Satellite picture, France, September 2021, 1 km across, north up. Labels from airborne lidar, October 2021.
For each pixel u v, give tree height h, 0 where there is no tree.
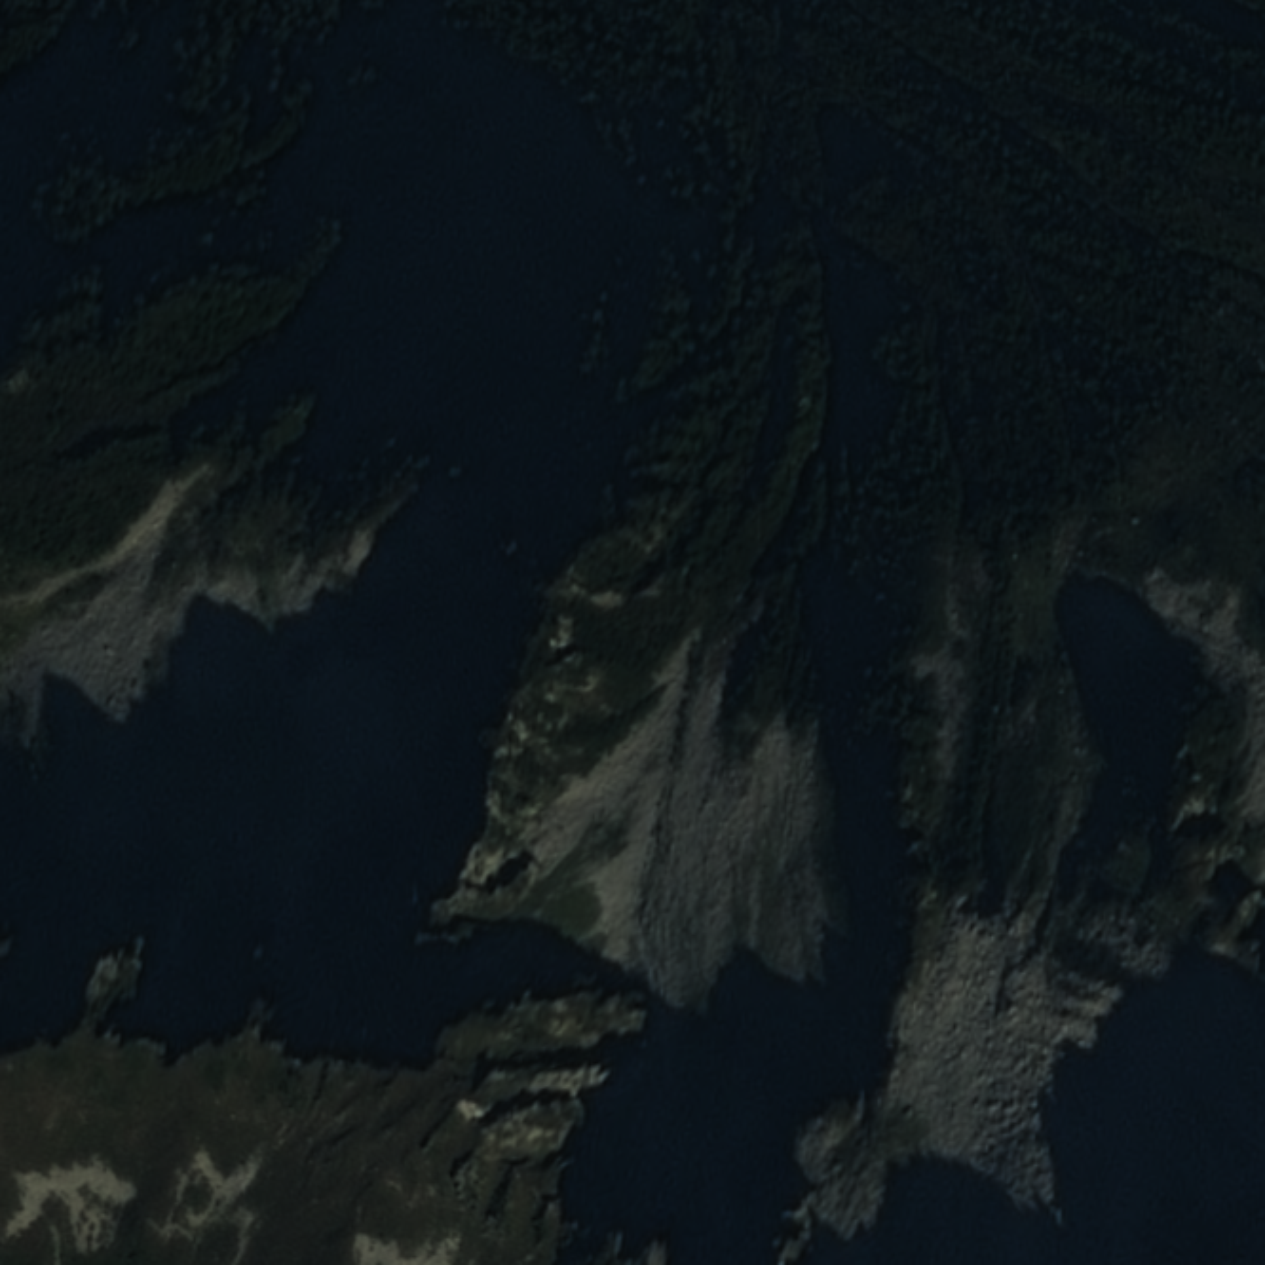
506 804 6
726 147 7
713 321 8
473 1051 0
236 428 6
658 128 8
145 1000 0
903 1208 0
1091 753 0
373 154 11
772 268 8
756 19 7
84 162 9
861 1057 0
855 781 0
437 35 13
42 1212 0
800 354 9
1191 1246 0
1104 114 6
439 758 10
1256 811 0
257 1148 0
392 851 6
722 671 0
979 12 9
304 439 6
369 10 11
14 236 10
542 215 10
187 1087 0
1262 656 0
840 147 6
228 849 0
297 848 0
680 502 10
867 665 11
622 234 9
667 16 8
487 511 5
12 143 8
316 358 11
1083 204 7
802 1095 0
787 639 6
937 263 8
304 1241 0
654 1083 0
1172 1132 0
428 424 19
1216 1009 0
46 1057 0
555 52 9
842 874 0
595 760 0
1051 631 0
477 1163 0
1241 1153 0
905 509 5
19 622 0
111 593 0
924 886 6
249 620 0
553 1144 0
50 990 0
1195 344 0
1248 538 0
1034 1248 0
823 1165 0
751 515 7
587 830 0
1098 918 0
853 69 8
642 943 0
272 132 8
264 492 6
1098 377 7
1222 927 0
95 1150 0
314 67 12
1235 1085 0
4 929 10
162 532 0
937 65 6
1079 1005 0
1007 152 7
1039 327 6
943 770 0
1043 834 0
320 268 8
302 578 0
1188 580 0
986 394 7
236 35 14
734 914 0
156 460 6
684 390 9
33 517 7
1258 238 0
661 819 0
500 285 11
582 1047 0
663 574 7
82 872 0
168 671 0
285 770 0
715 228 10
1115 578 0
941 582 0
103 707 0
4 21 16
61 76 10
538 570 6
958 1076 0
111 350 7
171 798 0
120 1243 0
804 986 0
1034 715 0
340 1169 0
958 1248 0
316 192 10
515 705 0
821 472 6
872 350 11
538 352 8
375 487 6
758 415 7
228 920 9
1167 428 0
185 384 11
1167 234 8
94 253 7
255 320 6
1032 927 0
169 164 8
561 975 11
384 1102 0
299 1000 0
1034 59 8
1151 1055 0
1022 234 7
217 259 12
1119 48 9
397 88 16
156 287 8
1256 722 0
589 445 6
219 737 0
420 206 11
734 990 0
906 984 0
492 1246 0
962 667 0
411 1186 0
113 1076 0
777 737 0
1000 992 0
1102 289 8
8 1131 0
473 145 7
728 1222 0
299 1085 7
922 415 5
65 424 8
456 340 9
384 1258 0
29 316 6
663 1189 0
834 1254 0
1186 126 8
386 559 0
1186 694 6
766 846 0
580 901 0
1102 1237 0
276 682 0
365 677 0
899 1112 0
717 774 0
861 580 0
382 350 6
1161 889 0
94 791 0
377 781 0
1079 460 6
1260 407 0
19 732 0
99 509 7
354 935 6
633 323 7
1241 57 7
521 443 9
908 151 6
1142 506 0
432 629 0
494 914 0
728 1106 0
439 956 0
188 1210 0
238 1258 0
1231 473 0
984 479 6
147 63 7
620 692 0
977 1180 0
